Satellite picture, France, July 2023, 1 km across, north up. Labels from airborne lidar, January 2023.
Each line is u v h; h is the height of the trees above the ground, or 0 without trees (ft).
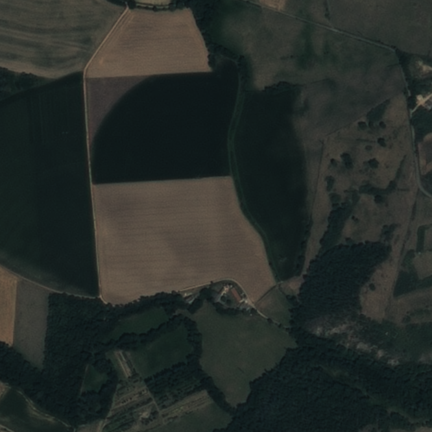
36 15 0
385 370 47
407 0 0
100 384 0
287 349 0
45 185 0
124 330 0
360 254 56
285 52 0
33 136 0
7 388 0
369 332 25
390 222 0
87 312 57
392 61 0
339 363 77
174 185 0
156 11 33
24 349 0
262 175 0
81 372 69
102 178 0
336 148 0
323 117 0
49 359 42
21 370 92
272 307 0
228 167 0
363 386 22
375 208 0
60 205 0
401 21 0
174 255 0
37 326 0
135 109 0
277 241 0
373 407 43
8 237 0
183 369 94
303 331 56
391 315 0
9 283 0
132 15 0
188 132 0
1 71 42
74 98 0
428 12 0
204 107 0
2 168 0
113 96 0
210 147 0
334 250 37
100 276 0
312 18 0
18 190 0
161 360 0
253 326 0
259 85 0
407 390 84
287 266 0
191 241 0
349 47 0
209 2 73
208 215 0
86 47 0
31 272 0
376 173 0
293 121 0
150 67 0
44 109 0
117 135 0
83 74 0
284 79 0
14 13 0
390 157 0
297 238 0
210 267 0
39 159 0
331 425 26
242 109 0
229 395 0
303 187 0
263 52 0
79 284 0
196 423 0
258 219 0
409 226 0
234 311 50
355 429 38
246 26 0
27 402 0
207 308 0
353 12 0
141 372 0
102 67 0
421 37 0
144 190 0
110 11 0
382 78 0
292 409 53
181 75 0
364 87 0
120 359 0
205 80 0
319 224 0
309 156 0
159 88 0
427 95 0
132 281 0
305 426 45
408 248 0
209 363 0
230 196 0
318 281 51
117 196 0
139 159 0
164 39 0
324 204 0
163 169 0
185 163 0
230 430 34
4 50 0
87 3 0
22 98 0
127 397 0
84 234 0
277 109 0
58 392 43
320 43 0
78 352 46
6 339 0
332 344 65
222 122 0
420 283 20
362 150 0
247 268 0
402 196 0
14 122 0
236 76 0
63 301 44
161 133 0
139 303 49
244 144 0
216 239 0
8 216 0
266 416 35
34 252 0
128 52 0
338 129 0
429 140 0
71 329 43
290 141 0
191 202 0
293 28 0
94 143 0
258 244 0
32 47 0
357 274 55
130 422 19
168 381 80
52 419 0
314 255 0
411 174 0
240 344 0
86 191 0
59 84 0
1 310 0
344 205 39
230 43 0
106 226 0
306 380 53
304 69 0
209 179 0
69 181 0
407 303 0
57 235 0
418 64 0
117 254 0
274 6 0
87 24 0
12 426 0
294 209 0
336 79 0
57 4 0
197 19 46
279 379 29
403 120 0
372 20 0
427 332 20
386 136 0
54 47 0
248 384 0
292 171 0
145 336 57
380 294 0
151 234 0
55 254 0
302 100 0
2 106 0
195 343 85
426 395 75
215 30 0
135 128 0
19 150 0
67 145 0
